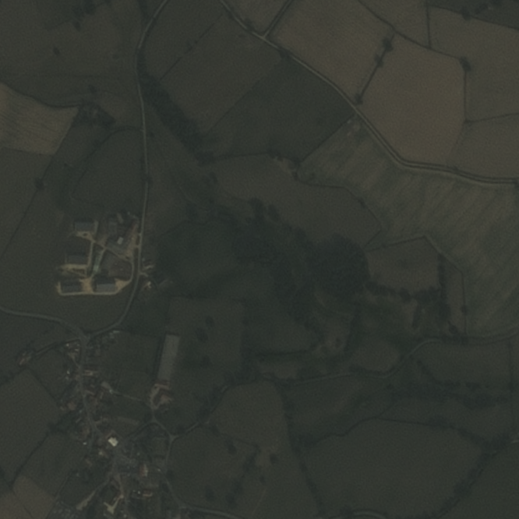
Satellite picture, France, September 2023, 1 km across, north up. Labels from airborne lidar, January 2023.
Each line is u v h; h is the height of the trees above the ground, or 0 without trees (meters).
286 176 0
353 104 0
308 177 0
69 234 0
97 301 0
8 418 0
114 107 0
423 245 0
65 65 0
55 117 0
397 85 0
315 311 0
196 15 0
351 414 0
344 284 15
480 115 0
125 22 0
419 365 8
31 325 0
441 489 0
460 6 0
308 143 0
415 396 14
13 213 0
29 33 0
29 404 0
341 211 0
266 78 0
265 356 7
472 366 0
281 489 0
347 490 0
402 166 0
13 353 0
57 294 0
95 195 0
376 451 0
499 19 0
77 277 0
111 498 0
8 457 0
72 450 0
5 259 0
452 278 0
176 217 0
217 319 0
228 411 0
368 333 0
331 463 0
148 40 0
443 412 0
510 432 0
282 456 0
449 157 0
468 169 0
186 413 0
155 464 0
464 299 0
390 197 0
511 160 0
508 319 0
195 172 0
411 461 0
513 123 0
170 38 0
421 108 0
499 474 0
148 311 0
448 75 0
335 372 0
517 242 0
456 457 0
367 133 0
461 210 0
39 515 0
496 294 0
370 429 0
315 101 0
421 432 0
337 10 0
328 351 0
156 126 0
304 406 0
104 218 0
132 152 0
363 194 0
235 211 0
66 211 0
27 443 0
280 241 0
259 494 0
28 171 0
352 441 0
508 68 0
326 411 0
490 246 0
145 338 0
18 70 0
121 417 0
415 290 0
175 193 0
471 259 0
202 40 0
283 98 0
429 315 0
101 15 0
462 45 0
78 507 0
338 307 0
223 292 0
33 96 0
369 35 0
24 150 0
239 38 0
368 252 0
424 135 0
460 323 0
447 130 0
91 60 0
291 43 0
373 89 0
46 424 0
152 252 0
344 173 0
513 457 0
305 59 0
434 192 0
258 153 0
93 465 0
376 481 0
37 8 0
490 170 0
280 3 0
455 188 0
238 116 0
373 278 0
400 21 0
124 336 0
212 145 0
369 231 0
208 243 0
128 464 0
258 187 0
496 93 0
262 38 0
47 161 0
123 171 0
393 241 0
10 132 0
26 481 0
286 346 0
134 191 0
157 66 0
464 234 0
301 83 0
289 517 0
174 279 0
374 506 0
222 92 0
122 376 0
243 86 0
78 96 0
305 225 0
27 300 0
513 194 0
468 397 0
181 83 0
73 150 0
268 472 0
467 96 0
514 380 0
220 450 0
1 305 0
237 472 0
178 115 8
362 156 0
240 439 0
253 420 0
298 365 0
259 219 16
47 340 0
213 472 0
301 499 0
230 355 0
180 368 0
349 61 0
